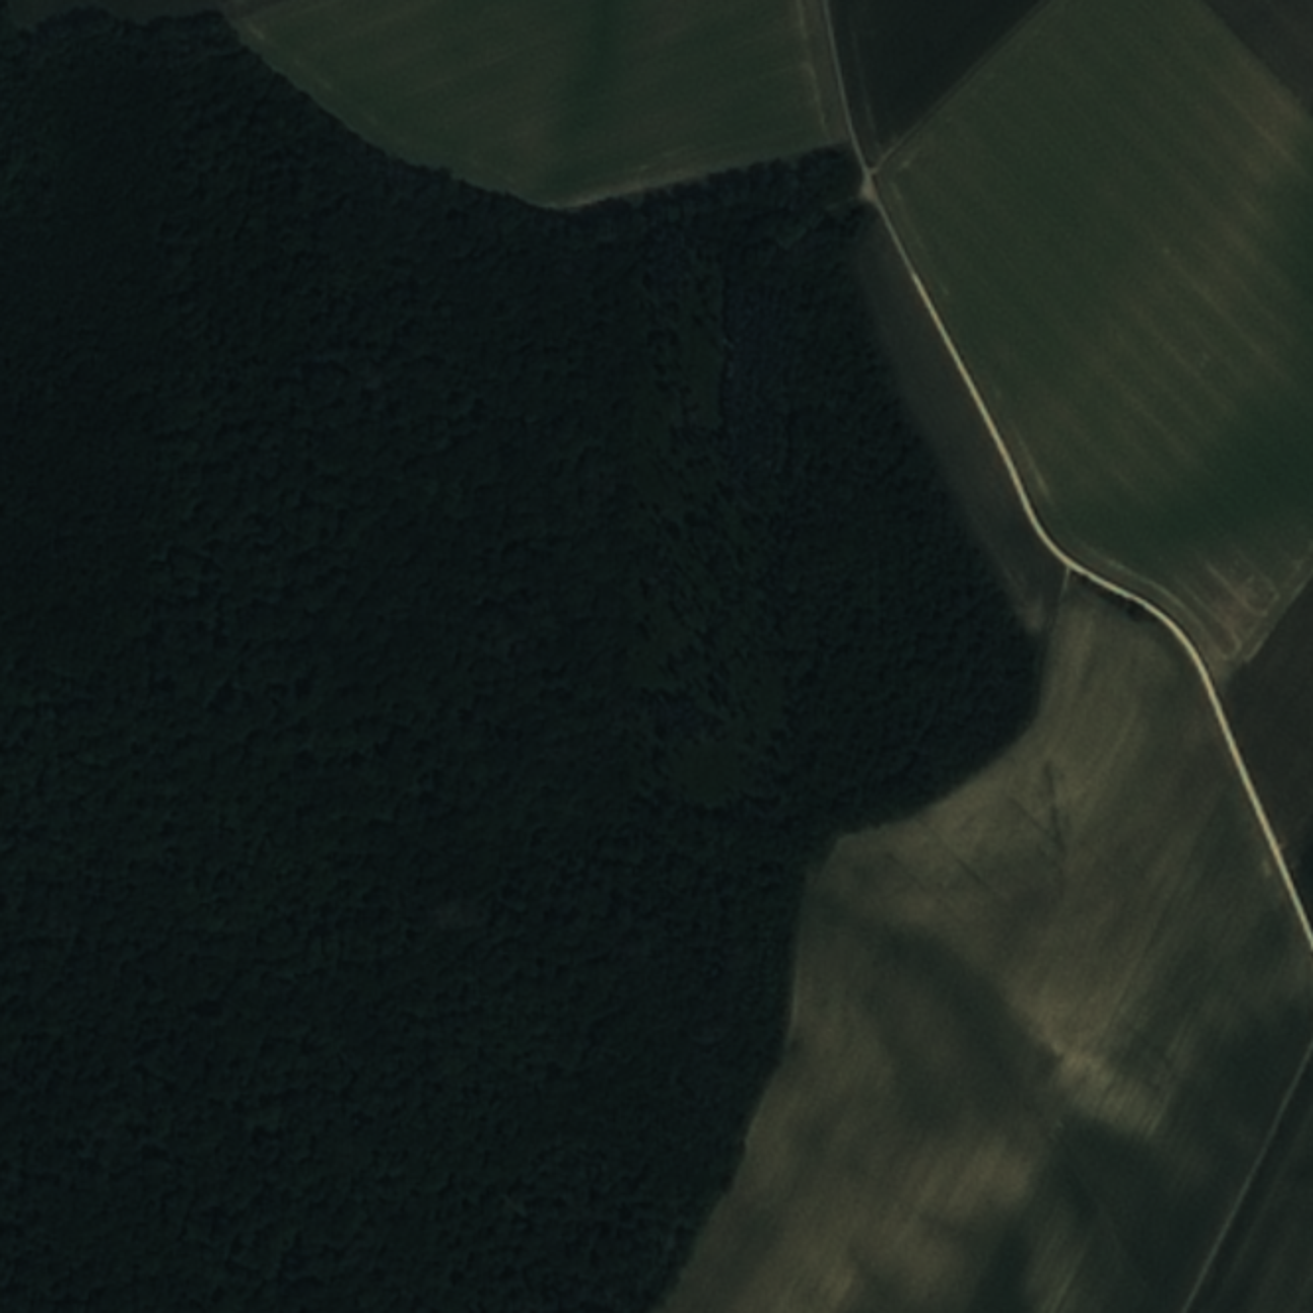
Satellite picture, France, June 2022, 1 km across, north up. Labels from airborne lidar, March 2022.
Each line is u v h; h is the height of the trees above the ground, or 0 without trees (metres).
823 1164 0
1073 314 0
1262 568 0
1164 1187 0
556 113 0
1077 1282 0
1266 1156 0
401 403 26
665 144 0
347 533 27
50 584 18
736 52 0
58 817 21
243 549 22
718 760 0
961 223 0
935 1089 0
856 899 0
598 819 23
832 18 0
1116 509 0
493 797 25
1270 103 0
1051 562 0
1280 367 0
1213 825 0
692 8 0
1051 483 0
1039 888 0
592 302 23
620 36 0
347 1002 21
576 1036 24
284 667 23
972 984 0
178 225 15
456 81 0
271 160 16
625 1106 24
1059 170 0
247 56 15
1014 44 0
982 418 0
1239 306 0
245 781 16
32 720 21
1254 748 0
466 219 20
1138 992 0
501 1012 19
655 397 0
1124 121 0
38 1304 19
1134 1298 0
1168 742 0
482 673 22
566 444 23
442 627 25
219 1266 23
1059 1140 0
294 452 22
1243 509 0
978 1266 0
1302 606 0
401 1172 19
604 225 23
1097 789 0
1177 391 0
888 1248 0
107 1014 21
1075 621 0
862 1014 0
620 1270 16
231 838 22
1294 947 0
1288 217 0
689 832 22
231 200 14
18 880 13
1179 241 0
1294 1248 0
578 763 21
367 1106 18
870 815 16
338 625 22
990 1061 0
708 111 0
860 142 0
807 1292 0
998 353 0
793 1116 0
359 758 27
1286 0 0
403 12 0
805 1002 0
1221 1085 0
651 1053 21
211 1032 19
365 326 16
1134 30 0
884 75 0
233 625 20
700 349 0
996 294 0
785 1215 0
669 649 0
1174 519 0
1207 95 0
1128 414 0
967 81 0
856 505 16
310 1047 19
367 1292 23
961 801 0
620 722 20
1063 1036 0
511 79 0
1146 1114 0
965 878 0
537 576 23
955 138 0
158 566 22
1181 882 0
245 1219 23
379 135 0
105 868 21
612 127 0
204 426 21
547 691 24
